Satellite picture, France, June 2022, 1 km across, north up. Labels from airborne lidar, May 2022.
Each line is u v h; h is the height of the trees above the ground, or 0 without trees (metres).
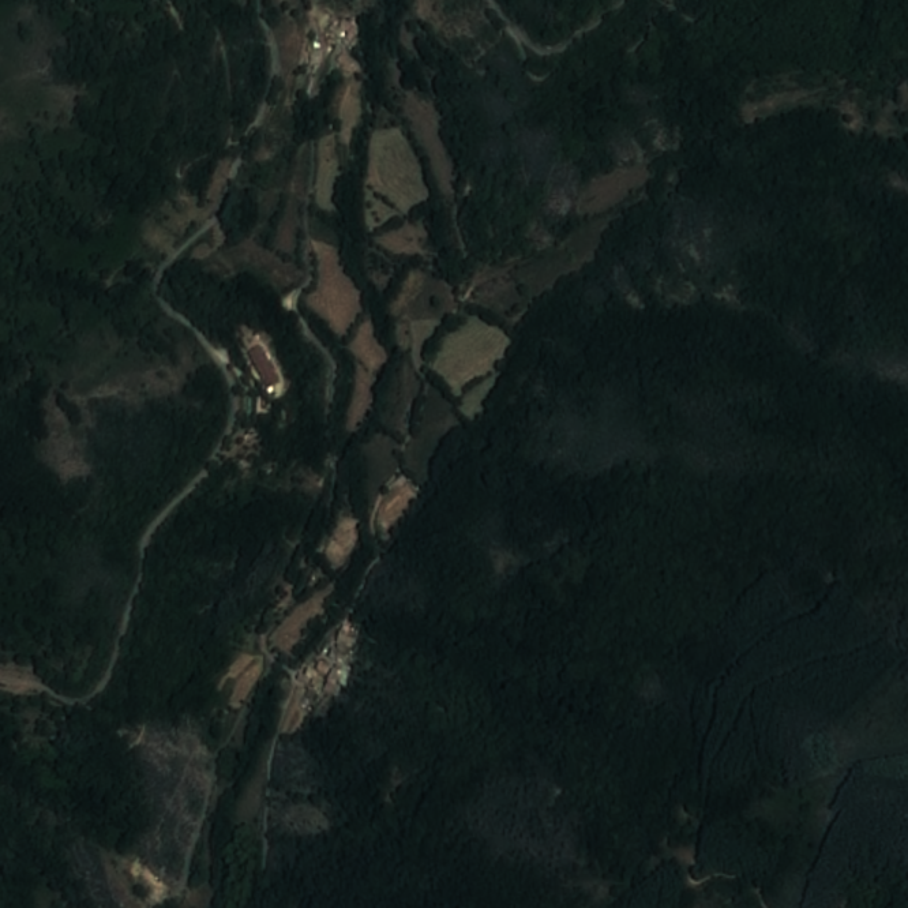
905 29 9
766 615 14
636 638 12
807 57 16
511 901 16
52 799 22
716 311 14
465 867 11
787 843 12
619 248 10
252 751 17
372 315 7
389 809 11
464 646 22
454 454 23
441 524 13
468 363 0
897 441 10
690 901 16
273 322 11
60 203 15
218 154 6
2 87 0
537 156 0
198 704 15
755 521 17
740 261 6
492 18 10
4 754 17
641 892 16
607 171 8
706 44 16
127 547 13
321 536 10
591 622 13
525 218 6
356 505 18
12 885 17
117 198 18
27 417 11
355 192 16
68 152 14
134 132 18
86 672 10
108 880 0
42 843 13
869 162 9
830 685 17
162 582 16
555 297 16
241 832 15
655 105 9
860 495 7
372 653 8
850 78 12
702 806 5
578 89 10
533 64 11
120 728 10
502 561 0
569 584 13
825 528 17
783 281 9
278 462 11
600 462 0
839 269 13
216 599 10
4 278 12
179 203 17
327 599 9
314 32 6
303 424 7
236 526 20
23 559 8
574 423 0
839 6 14
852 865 16
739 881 15
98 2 13
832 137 14
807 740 10
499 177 10
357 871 10
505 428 9
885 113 0
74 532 10
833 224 7
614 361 10
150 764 0
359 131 9
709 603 15
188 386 10
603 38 11
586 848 7
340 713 11
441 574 8
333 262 0
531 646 13
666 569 17
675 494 17
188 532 8
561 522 8
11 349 8
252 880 17
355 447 13
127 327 11
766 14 11
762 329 16
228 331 9
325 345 8
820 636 17
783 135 20
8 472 18
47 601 7
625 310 8
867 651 14
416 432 12
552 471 12
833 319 8
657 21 16
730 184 15
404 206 0
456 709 11
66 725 11
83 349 0
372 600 8
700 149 14
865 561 8
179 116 8
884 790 13
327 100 8
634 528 16
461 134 12
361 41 8
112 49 9
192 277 9
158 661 16
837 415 12
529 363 9
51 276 15
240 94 7
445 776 16
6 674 0
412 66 20
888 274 11
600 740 13
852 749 0
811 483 9
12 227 15
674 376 10
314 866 9
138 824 8
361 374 0
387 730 6
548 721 11
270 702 14
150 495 15
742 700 15
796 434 13
